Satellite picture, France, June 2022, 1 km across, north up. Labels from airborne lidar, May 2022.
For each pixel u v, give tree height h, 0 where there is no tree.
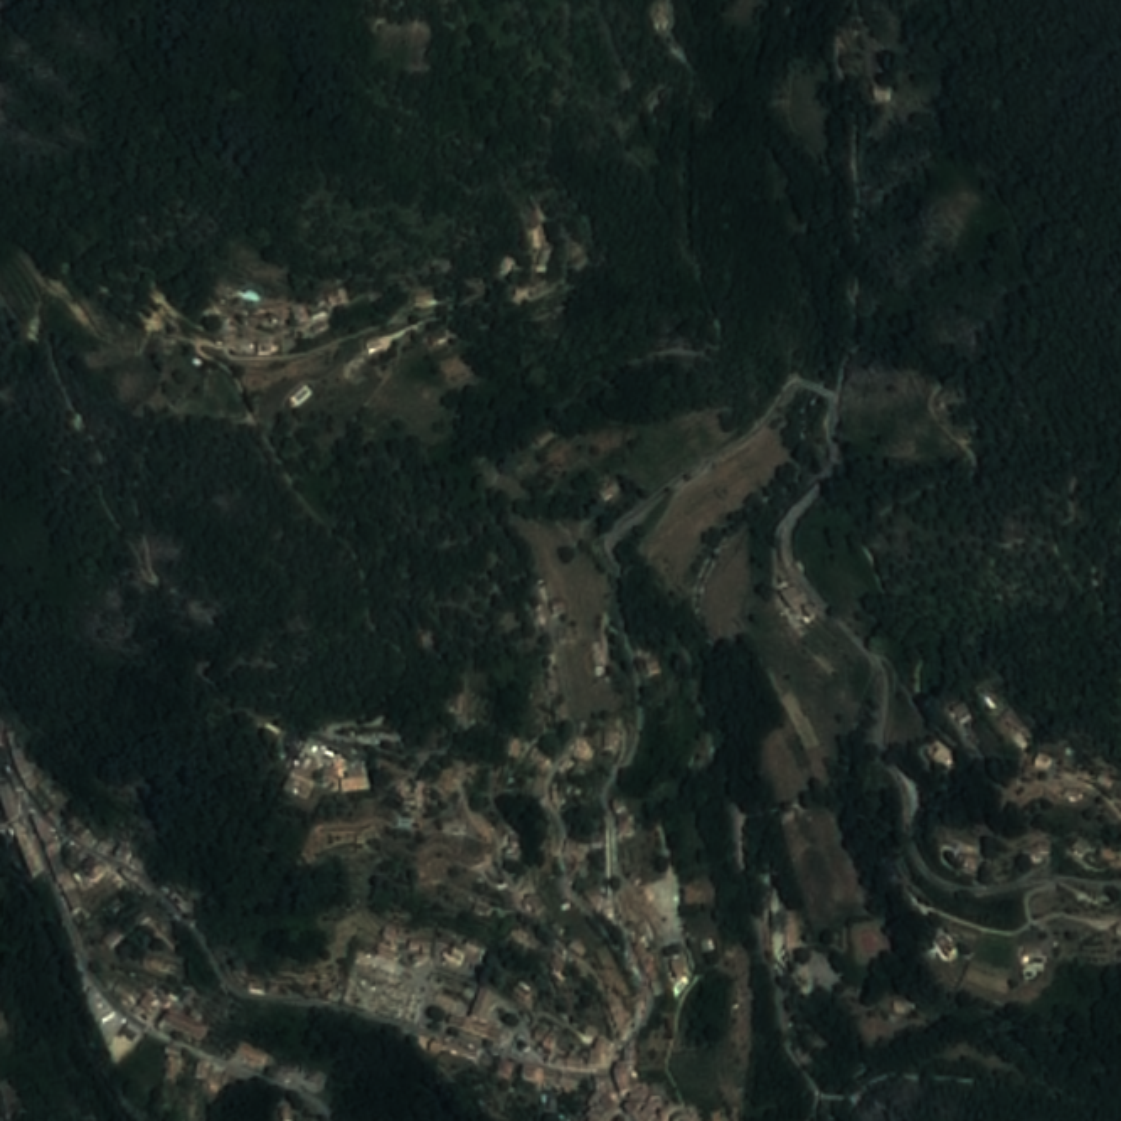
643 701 9
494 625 14
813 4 8
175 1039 8
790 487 14
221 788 23
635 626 21
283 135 16
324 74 29
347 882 14
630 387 21
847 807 11
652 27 9
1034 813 8
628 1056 0
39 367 10
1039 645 11
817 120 0
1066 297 15
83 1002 7
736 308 16
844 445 9
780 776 0
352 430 10
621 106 13
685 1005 6
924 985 21
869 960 0
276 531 11
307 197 7
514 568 10
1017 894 0
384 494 15
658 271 15
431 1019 11
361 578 8
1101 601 12
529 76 11
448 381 0
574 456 0
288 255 10
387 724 10
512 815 17
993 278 14
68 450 10
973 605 7
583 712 0
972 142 16
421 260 7
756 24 7
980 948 0
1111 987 20
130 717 22
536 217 0
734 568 0
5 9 7
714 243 17
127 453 11
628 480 20
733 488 0
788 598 0
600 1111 0
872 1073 12
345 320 15
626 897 0
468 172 10
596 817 7
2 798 0
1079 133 12
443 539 15
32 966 17
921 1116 12
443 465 13
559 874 10
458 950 0
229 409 0
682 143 8
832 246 9
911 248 10
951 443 0
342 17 15
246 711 9
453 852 0
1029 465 11
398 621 13
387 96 7
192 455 7
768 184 28
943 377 15
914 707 0
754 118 24
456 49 11
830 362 7
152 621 8
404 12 14
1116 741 10
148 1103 6
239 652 11
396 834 9
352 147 13
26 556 0
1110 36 12
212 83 16
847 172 10
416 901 7
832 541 9
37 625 16
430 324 8
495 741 12
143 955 15
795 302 11
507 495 13
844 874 0
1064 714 12
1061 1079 22
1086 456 14
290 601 11
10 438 13
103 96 16
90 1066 12
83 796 20
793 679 10
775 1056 16
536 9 10
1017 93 14
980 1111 9
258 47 17
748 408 7
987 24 16
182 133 9
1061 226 15
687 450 0
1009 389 8
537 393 16
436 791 7
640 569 16
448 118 13
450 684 10
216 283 12
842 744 13
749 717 24
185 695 14
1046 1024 11
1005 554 8
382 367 6
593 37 11
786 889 22
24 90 9
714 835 16
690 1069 0
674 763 9
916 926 19
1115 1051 15
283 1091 12
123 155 15
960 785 19
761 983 33
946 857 8
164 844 14
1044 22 14
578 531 0
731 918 11
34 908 30
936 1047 21
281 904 10
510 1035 0
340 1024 11
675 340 7
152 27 15
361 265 13
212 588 7
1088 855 6
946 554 11
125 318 13
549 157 14
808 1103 13
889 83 16
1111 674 13
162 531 9
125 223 9
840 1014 20
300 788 0
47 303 0
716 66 17
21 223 10
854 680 0
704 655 18
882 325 17
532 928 13
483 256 12
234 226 10
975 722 8
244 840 11
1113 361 13
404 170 10
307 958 16
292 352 6
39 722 12
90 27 9
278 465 11
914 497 12
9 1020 10
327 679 10
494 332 14
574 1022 9
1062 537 8
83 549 11
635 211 18
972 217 0
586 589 0
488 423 19
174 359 0
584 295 18
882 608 17
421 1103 20
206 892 8
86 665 15
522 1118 6
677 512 0
